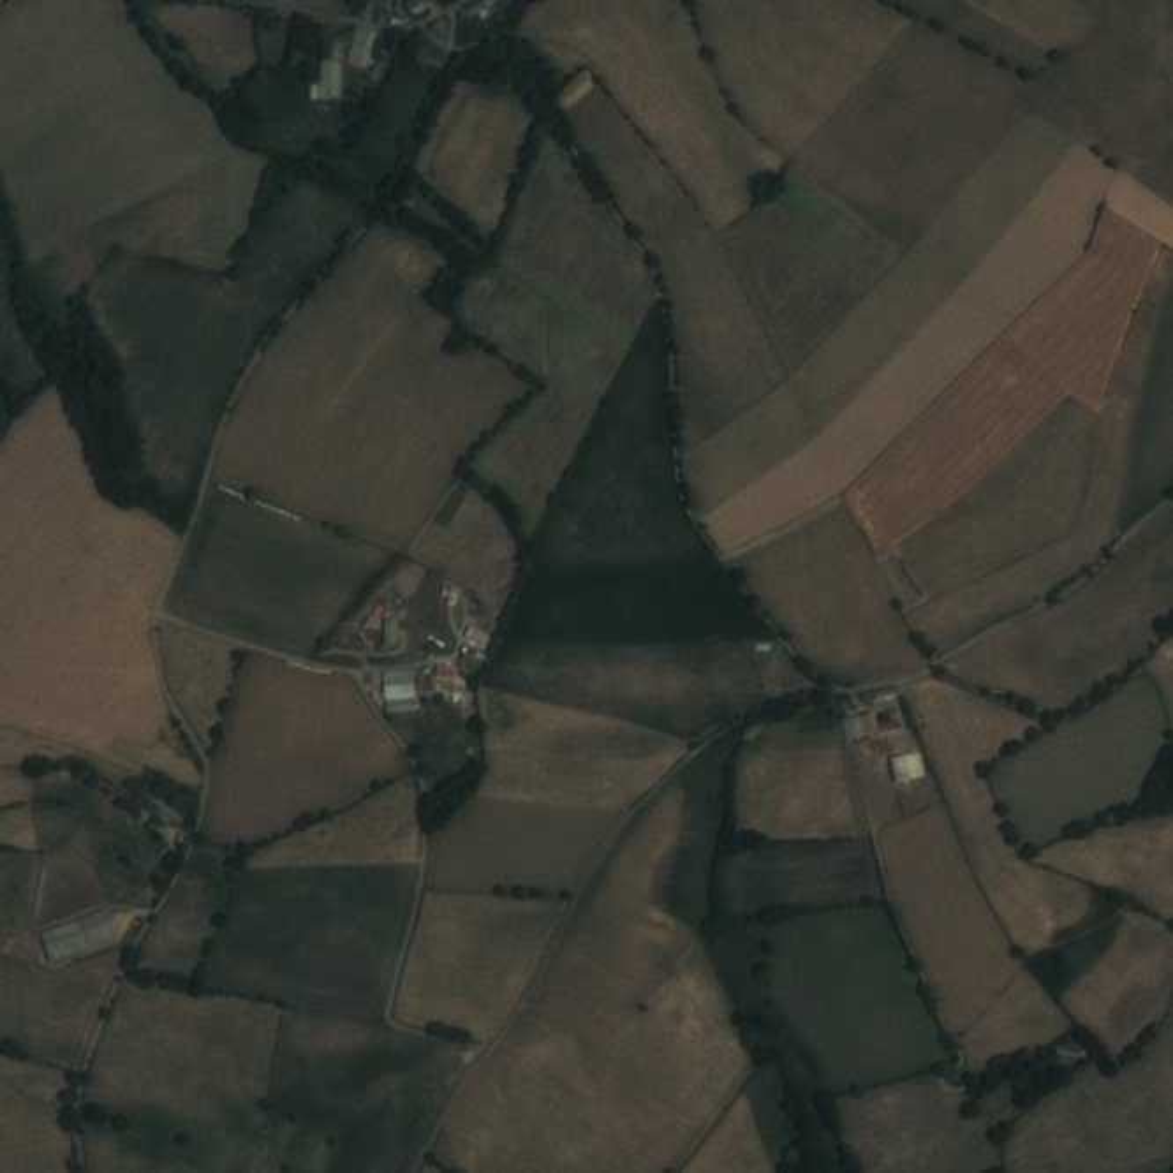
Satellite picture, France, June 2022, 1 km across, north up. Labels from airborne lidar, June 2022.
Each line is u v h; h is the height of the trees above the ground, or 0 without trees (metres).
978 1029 0
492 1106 0
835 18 0
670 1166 0
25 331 12
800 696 7
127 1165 0
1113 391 0
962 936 0
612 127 0
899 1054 0
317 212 0
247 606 0
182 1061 0
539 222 0
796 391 0
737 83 0
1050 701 0
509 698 0
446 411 0
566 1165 0
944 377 0
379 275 0
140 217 0
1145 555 0
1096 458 0
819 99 0
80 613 0
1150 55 0
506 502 14
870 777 0
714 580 0
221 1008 0
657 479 0
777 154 0
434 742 0
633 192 0
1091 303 0
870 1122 0
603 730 0
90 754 0
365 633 0
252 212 7
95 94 0
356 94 8
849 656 0
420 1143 0
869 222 0
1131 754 0
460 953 0
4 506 0
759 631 0
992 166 0
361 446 0
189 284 0
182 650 0
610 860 0
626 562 0
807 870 0
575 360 0
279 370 0
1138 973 0
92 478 7
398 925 0
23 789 0
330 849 0
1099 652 0
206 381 0
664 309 14
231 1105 0
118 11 0
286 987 0
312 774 0
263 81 13
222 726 8
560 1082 0
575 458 0
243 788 0
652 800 0
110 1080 0
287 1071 0
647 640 0
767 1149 0
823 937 0
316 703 0
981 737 0
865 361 0
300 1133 0
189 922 0
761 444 0
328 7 0
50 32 0
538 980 0
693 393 0
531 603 0
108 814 0
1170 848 0
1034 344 0
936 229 0
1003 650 0
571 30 0
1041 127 0
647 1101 0
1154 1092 0
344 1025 0
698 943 0
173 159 0
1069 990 0
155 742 0
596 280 0
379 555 0
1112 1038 0
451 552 0
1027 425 0
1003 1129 15
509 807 0
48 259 0
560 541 0
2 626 0
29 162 0
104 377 12
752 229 0
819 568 0
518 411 12
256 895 0
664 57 0
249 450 0
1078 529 0
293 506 0
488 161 0
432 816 19
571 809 0
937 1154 0
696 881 0
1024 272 0
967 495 0
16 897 0
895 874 0
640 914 0
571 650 0
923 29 0
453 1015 0
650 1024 0
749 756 0
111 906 0
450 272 11
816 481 0
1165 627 19
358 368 0
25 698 0
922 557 0
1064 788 0
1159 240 0
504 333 0
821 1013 0
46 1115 0
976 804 0
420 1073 0
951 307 0
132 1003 0
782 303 0
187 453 0
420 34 10
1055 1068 9
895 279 0
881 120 0
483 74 17
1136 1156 0
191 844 7
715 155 0
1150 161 0
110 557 0
